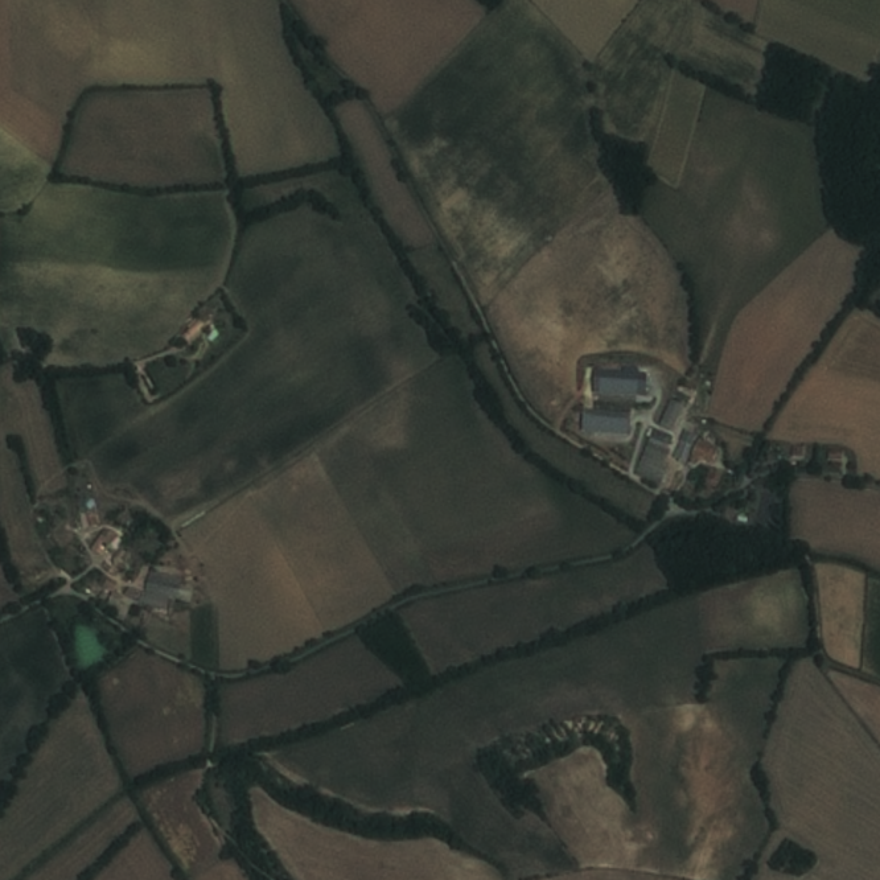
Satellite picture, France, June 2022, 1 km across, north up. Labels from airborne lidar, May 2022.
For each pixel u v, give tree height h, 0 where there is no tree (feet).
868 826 0
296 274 0
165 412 0
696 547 77
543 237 0
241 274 0
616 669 0
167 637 0
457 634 0
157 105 0
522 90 0
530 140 0
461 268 0
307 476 0
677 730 0
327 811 32
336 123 29
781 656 44
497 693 0
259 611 0
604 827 0
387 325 0
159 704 0
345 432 0
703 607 0
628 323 0
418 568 0
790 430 0
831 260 0
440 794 0
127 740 0
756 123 0
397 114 0
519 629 0
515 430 31
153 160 0
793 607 0
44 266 0
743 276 0
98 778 0
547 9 0
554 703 0
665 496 44
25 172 0
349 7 0
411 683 26
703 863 0
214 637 0
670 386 0
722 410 0
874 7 0
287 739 52
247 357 0
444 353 53
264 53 0
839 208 44
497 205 0
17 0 0
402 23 0
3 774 0
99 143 0
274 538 0
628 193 47
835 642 0
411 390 0
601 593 0
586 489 37
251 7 0
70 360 0
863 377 0
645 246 0
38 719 0
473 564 0
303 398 0
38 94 0
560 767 0
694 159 0
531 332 0
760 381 0
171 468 0
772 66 57
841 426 0
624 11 0
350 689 0
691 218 0
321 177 0
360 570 0
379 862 0
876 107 57
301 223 0
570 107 0
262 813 0
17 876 0
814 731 0
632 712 0
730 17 44
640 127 0
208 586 0
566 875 0
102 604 37
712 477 0
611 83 0
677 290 0
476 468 0
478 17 0
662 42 0
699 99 0
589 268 0
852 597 0
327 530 0
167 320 0
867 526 0
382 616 47
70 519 0
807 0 0
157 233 0
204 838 0
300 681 0
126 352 0
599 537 0
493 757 32
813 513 0
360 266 0
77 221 0
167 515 0
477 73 0
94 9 0
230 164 41
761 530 61
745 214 0
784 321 0
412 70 0
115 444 0
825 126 51
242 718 0
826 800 0
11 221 0
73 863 0
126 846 33
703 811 0
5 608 27
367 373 0
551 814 0
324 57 40
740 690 0
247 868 29
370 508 0
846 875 0
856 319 0
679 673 0
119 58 0
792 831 0
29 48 0
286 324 0
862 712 0
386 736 0
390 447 0
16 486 0
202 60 0
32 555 0
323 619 0
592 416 0
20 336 24
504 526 0
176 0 0
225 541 0
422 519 0
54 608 29
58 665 0
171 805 0
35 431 0
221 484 0
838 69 0
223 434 0
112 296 0
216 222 0
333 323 0
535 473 0
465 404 0
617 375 0
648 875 0
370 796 0
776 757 0
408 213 0
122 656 39
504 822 0
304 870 0
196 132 0
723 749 0
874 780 0
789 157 0
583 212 0
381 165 0
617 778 38
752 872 42
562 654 0
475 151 0
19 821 0
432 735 0
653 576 0
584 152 0
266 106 0
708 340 0
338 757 0
